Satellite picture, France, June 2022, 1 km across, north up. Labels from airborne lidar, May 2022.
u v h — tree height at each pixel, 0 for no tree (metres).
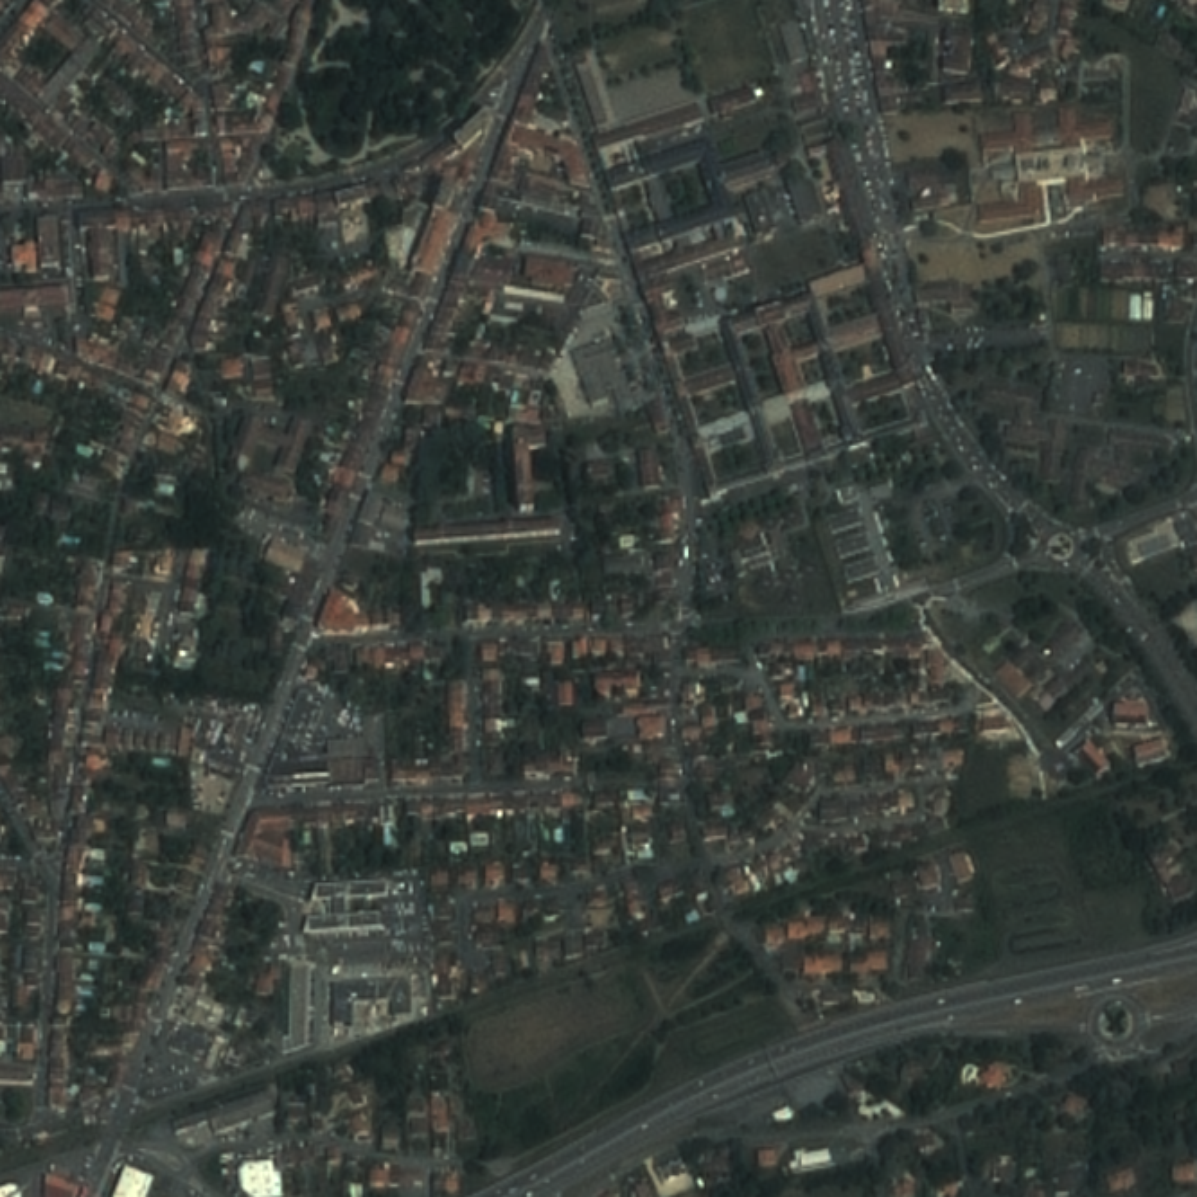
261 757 0
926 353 0
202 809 0
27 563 7
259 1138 0
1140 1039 0
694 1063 0
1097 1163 13
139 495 9
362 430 0
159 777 8
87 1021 12
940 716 0
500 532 0
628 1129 0
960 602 0
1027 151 0
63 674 7
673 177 16
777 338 0
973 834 0
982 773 0
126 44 0
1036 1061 8
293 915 0
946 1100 6
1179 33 17
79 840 0
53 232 0
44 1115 0
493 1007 0
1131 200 0
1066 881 0
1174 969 0
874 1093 16
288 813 0
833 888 6
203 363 18
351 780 0
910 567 8
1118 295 0
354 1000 0
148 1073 0
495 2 27
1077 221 0
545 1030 0
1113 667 8
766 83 7
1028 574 10
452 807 0
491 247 7
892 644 0
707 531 10
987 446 11
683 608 0
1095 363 0
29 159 7
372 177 6
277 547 0
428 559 14
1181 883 0
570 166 0
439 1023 6
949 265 0
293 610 0
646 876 11
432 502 14
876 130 0
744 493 0
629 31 8
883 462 11
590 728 0
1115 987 0
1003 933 0
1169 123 0
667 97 0
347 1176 12
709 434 0
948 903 0
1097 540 8
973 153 0
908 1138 8
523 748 14
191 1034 0
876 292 0
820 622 11
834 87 0
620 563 0
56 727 0
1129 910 0
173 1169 0
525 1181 0
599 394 0
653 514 12
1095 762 0
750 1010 0
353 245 0
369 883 0
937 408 0
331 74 15
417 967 0
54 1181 0
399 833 6
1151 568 0
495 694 0
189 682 7
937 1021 0
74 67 0
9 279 10
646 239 0
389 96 21
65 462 10
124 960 8
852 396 0
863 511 0
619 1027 0
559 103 13
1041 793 11
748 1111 0
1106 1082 14
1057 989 0
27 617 8
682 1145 7
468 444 10
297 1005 0
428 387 0
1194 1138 15
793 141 17
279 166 19
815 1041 0
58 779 0
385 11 29
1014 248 0
